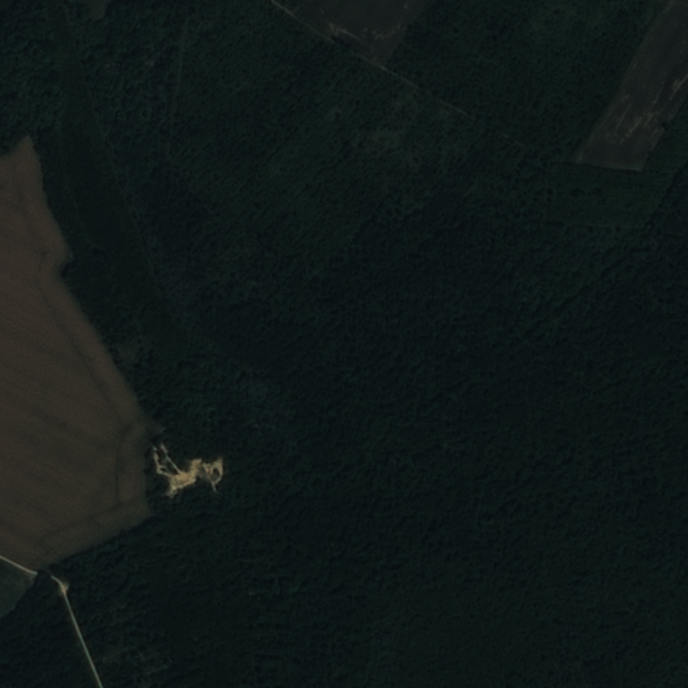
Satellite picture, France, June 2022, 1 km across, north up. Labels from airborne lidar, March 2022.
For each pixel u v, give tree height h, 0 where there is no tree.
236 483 11
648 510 16
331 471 15
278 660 20
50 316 0
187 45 0
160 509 10
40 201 0
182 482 0
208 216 17
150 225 17
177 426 15
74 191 0
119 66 9
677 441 9
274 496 16
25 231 0
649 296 12
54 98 15
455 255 17
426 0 0
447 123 0
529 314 14
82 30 7
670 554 14
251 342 19
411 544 13
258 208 17
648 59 0
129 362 0
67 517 0
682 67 0
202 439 12
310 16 0
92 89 16
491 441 0
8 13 13
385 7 0
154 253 16
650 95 0
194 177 18
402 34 0
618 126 0
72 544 0
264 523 17
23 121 12
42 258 0
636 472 19
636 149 0
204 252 16
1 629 18
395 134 0
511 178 15
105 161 0
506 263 18
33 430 0
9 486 0
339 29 0
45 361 0
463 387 19
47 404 0
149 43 11
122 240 0
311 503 14
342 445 18
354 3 0
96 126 0
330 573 20
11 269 0
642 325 19
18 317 0
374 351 14
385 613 9
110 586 17
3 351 0
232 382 19
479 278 16
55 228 0
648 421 18
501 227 6
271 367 17
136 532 13
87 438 0
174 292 18
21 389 0
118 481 0
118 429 0
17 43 19
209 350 7
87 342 0
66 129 0
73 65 0
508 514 14
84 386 0
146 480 0
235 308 15
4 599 0
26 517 0
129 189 18
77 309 0
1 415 0
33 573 0
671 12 0
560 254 8
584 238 14
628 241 6
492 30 17
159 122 12
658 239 14
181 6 18
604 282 16
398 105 0
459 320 16
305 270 13
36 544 0
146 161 13
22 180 0
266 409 14
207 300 18
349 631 21
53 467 0
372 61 0
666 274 16
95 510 0
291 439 11
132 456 0
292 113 10
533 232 18
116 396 0
